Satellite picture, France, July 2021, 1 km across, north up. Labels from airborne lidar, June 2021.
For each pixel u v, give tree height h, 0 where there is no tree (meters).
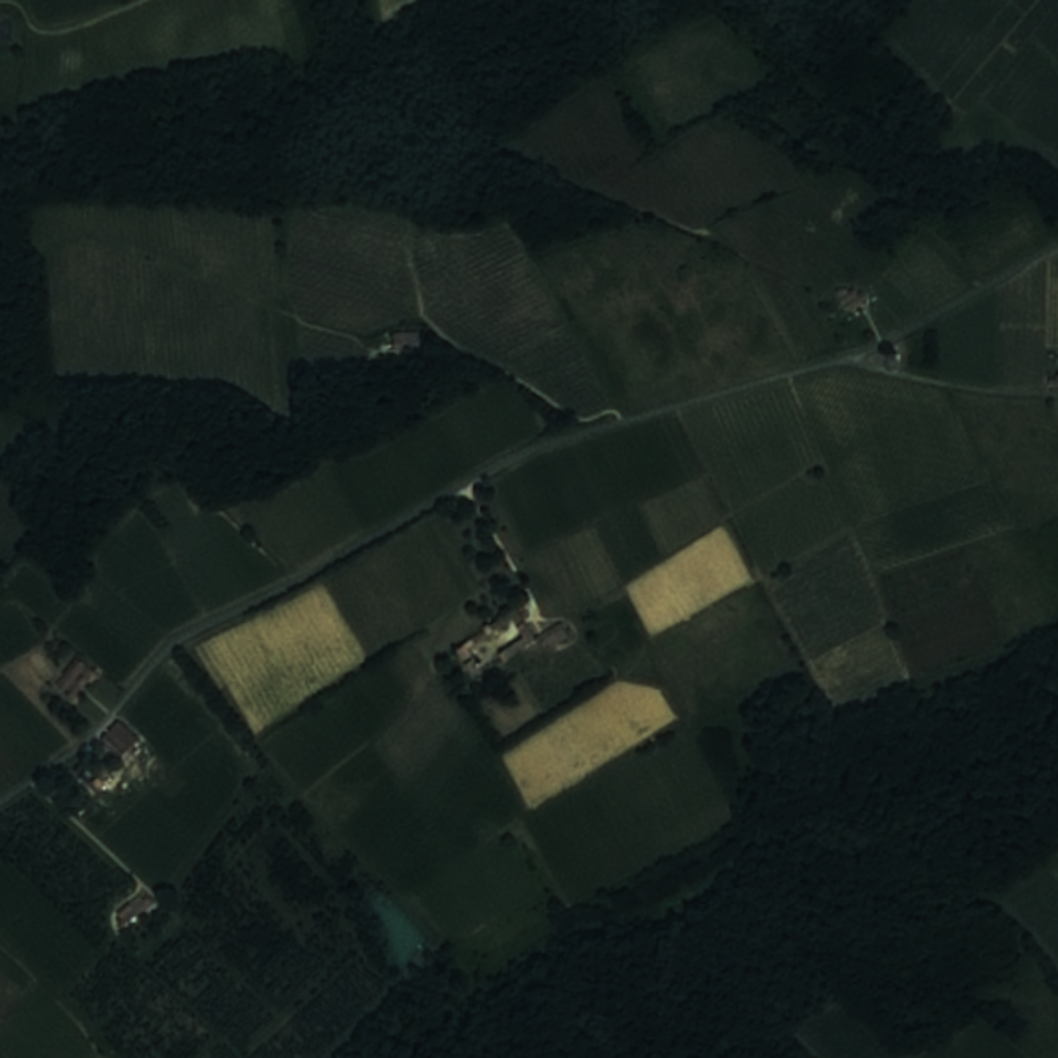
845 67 10
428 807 0
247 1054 7
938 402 0
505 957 0
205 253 0
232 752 0
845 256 0
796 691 23
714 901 22
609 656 0
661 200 0
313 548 0
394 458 0
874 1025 13
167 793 0
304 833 7
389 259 0
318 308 0
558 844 0
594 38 16
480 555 7
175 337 0
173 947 8
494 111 20
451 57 22
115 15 0
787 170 0
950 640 0
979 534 0
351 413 25
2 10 0
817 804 27
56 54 0
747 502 0
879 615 0
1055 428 0
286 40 0
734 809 8
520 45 23
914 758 24
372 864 0
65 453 19
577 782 0
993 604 0
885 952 21
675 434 0
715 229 0
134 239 0
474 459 0
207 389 24
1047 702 28
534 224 18
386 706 0
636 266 0
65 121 23
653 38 18
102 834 0
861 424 0
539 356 0
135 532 0
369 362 16
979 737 23
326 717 0
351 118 22
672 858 6
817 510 0
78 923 7
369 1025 18
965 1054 0
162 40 0
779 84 10
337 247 0
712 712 0
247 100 23
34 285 20
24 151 24
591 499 0
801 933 15
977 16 0
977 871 21
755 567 0
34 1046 0
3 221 24
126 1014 6
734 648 0
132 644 0
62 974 0
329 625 0
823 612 0
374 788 0
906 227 7
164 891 13
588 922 12
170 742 0
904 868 20
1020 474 0
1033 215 0
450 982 9
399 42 21
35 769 0
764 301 0
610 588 0
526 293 0
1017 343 0
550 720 8
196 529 0
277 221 9
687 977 29
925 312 0
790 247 0
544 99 21
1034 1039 0
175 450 21
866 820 29
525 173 21
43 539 15
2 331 21
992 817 25
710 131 0
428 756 0
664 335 0
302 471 17
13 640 0
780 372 0
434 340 21
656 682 0
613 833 0
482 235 0
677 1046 21
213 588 0
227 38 0
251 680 0
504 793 0
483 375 11
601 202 10
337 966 8
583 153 0
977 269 0
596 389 0
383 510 0
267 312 0
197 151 25
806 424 0
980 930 18
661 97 0
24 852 9
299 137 23
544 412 12
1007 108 0
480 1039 29
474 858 0
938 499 0
